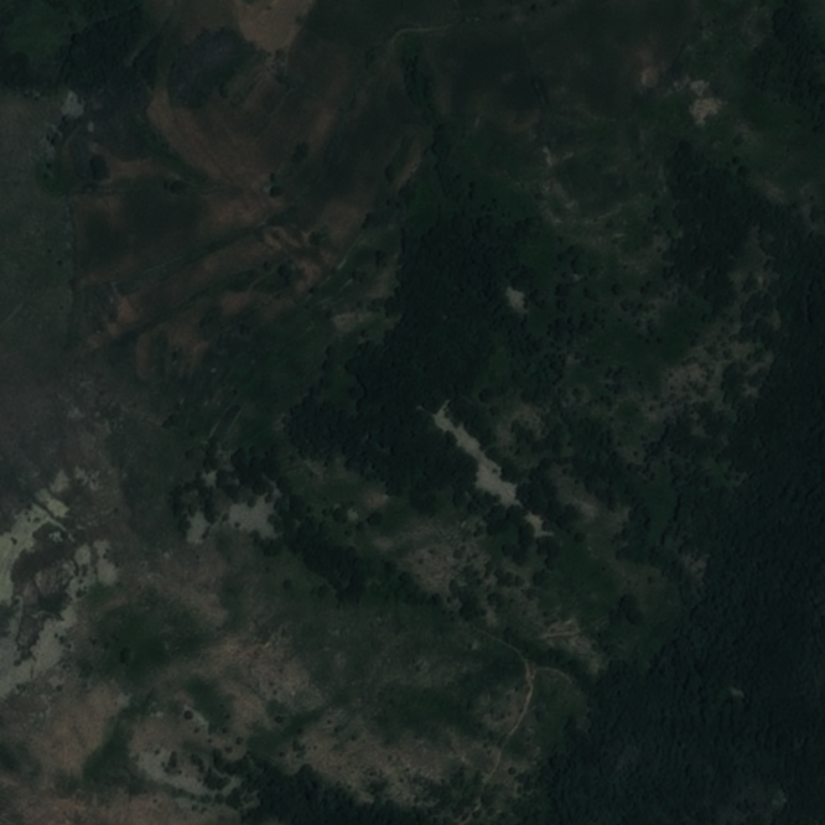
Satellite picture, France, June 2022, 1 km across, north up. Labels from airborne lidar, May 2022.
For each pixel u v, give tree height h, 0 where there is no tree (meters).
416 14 0
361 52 0
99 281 0
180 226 0
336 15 0
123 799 0
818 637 13
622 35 0
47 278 0
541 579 12
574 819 12
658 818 7
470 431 11
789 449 18
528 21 0
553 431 10
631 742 7
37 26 0
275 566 0
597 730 16
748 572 11
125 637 0
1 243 0
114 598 0
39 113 0
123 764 0
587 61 0
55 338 0
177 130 0
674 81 0
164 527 0
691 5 0
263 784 13
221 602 0
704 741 12
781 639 15
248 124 0
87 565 0
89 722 0
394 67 0
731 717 12
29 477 0
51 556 0
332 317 8
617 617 14
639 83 0
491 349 15
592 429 15
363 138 0
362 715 0
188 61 0
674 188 10
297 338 0
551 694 0
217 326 0
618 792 10
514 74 0
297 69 0
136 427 0
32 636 0
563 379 11
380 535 0
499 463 6
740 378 10
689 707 11
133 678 0
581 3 0
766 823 12
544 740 0
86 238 0
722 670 16
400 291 13
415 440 20
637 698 15
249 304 0
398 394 20
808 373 21
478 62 0
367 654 0
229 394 0
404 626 0
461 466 15
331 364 14
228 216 0
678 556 9
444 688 0
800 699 12
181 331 0
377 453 19
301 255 0
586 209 0
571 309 12
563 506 12
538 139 0
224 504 0
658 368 0
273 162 0
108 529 0
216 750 7
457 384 16
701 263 20
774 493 18
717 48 0
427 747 0
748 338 12
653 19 0
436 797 12
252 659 0
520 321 9
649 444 8
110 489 0
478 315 23
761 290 8
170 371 0
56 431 0
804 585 13
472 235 8
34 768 0
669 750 11
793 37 17
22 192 0
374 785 7
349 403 0
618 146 0
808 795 15
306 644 0
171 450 0
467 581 6
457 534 0
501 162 0
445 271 18
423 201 0
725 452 11
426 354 20
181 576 0
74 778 0
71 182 0
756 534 15
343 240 0
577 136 0
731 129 0
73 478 0
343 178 0
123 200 0
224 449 7
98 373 0
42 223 0
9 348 0
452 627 0
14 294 0
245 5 0
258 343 0
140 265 0
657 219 11
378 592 7
